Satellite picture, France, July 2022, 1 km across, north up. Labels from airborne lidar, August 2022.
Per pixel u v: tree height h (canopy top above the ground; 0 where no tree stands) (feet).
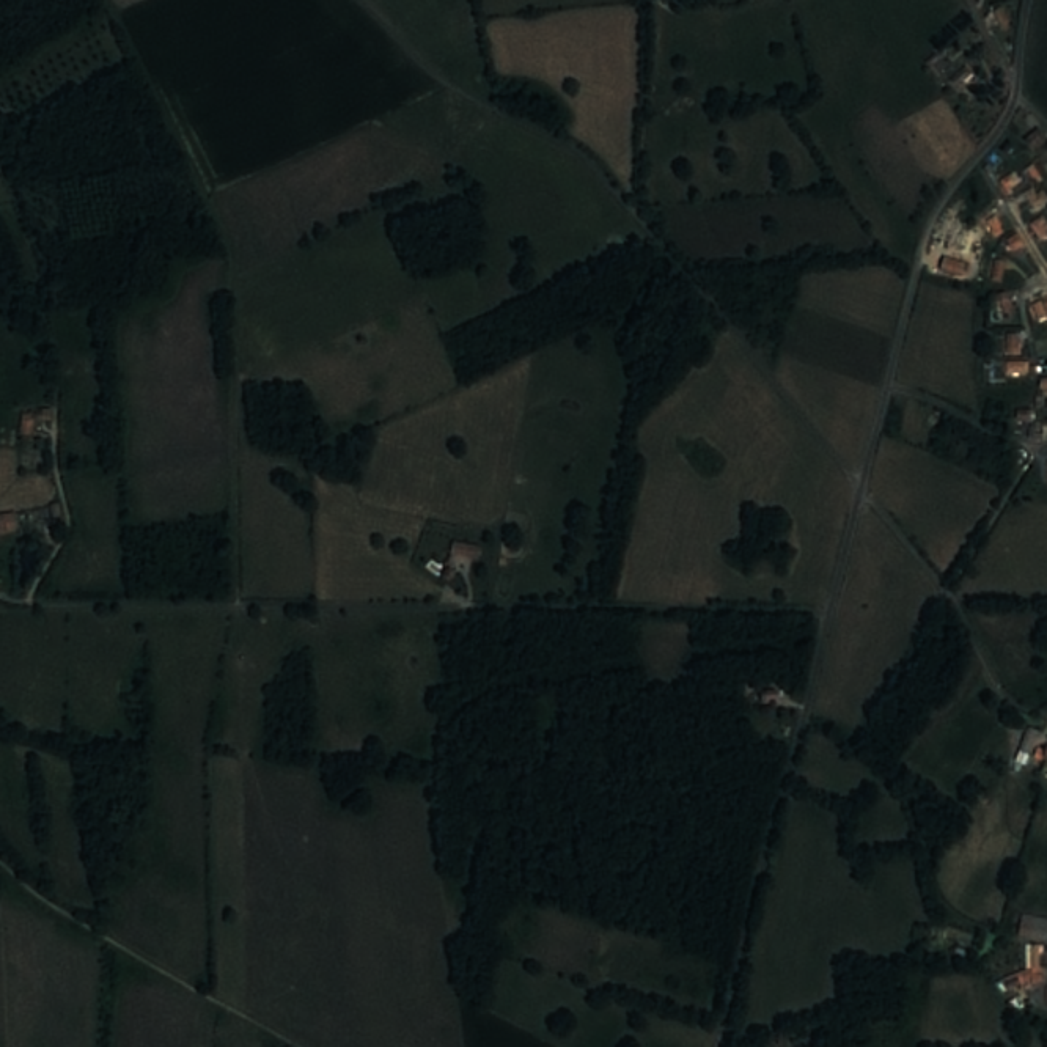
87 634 0
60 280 65
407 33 0
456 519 0
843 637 0
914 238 0
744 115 43
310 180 0
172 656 0
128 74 52
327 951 0
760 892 52
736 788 52
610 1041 0
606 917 50
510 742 54
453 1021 0
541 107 64
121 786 27
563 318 41
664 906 72
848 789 0
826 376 0
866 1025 50
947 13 0
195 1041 0
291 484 62
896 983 62
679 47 0
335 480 58
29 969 0
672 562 0
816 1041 63
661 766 63
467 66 0
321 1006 0
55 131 60
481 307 0
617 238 0
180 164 65
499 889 70
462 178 67
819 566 0
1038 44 0
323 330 0
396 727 0
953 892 0
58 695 0
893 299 0
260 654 0
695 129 0
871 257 35
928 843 34
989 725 0
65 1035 0
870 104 0
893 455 0
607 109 0
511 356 23
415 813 0
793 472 0
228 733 0
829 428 0
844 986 72
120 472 38
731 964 51
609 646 62
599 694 65
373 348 0
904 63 0
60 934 0
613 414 0
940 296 0
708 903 82
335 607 0
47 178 69
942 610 56
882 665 0
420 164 0
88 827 41
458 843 73
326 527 0
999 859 0
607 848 76
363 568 0
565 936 0
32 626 0
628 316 20
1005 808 0
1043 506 0
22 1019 0
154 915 0
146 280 66
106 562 0
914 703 74
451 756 59
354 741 0
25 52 71
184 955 0
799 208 0
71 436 0
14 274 78
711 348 52
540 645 66
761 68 0
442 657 35
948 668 57
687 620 46
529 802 65
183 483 0
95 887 48
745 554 54
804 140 38
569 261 0
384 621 0
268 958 0
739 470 0
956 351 0
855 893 0
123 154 66
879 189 0
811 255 37
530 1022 0
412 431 0
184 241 73
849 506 0
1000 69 22
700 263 24
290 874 0
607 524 61
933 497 0
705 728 68
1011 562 0
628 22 0
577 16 0
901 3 0
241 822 0
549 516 0
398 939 0
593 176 0
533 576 0
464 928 46
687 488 0
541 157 0
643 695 62
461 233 67
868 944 0
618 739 62
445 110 0
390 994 0
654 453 0
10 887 0
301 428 70
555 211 0
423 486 0
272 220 0
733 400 0
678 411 0
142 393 0
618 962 0
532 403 0
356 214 30
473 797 73
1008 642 0
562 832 48
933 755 0
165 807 0
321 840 0
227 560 24
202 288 0
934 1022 0
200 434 0
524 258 67
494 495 0
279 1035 0
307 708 25
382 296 0
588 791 63
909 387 0
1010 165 0
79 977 0
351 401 0
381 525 0
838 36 0
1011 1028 59
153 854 0
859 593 0
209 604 52
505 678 39
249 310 0
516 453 0
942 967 61
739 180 0
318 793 0
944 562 0
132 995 0
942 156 0
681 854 70
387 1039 0
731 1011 33
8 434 0
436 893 0
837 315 0
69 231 89
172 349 0
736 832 67
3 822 0
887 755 75
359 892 0
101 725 0
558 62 0
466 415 0
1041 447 0
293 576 0
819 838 0
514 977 0
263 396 47
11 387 0
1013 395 0
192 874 0
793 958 0
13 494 0
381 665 0
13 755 0
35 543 55
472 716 61
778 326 17
